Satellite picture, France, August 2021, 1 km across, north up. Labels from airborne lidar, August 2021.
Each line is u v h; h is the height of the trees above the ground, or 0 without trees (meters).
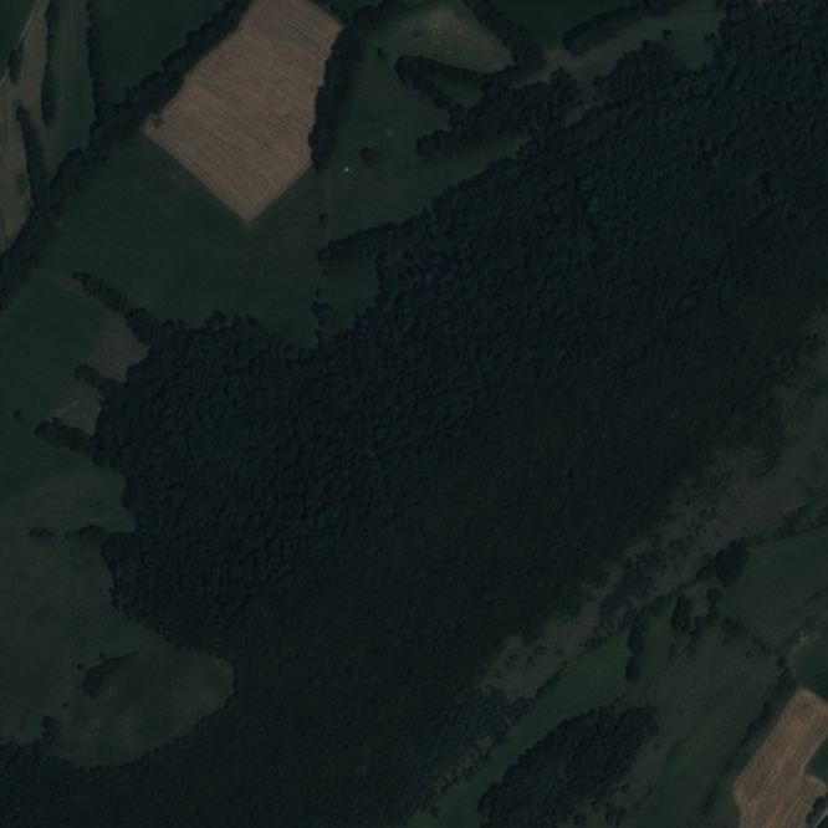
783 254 15
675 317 11
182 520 24
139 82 0
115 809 13
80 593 0
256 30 0
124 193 0
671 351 18
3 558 0
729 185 22
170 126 0
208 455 29
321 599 16
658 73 14
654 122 23
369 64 0
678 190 25
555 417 15
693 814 0
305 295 0
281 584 22
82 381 8
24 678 0
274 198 0
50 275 0
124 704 0
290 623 16
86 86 0
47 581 0
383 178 0
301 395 25
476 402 20
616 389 16
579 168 23
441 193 0
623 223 25
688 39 0
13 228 0
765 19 22
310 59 0
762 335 14
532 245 27
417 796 11
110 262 0
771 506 0
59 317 0
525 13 0
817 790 0
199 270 0
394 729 15
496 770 0
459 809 0
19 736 0
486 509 12
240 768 16
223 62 0
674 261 23
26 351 0
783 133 26
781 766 0
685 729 0
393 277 21
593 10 0
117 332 0
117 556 12
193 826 15
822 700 0
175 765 17
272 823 15
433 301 23
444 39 0
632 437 17
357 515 23
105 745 0
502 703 9
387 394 21
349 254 24
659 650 0
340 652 15
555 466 20
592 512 14
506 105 23
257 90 0
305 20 0
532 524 16
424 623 20
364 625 16
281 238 0
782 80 25
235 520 24
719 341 18
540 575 15
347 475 25
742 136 27
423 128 0
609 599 9
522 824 7
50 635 0
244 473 24
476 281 24
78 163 25
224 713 11
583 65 0
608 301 26
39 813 14
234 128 0
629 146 27
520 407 14
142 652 0
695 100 18
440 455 20
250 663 13
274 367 27
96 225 0
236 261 0
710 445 7
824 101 22
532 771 24
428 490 16
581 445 18
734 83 26
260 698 12
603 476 15
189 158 0
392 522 15
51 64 6
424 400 19
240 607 14
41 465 0
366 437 18
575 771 11
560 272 27
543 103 13
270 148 0
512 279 26
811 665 0
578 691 0
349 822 16
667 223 24
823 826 9
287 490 25
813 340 14
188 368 21
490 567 14
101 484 0
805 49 22
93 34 16
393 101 0
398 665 18
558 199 29
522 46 26
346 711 18
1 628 0
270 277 0
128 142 17
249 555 16
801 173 24
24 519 0
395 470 21
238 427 30
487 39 0
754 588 0
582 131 19
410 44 0
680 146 26
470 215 28
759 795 0
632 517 15
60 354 0
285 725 16
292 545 21
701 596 0
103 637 0
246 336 28
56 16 17
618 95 13
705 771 0
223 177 0
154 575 18
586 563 19
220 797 15
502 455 16
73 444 20
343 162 0
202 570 19
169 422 30
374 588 15
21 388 0
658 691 0
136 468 30
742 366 17
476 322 22
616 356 17
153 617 16
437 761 13
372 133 0
